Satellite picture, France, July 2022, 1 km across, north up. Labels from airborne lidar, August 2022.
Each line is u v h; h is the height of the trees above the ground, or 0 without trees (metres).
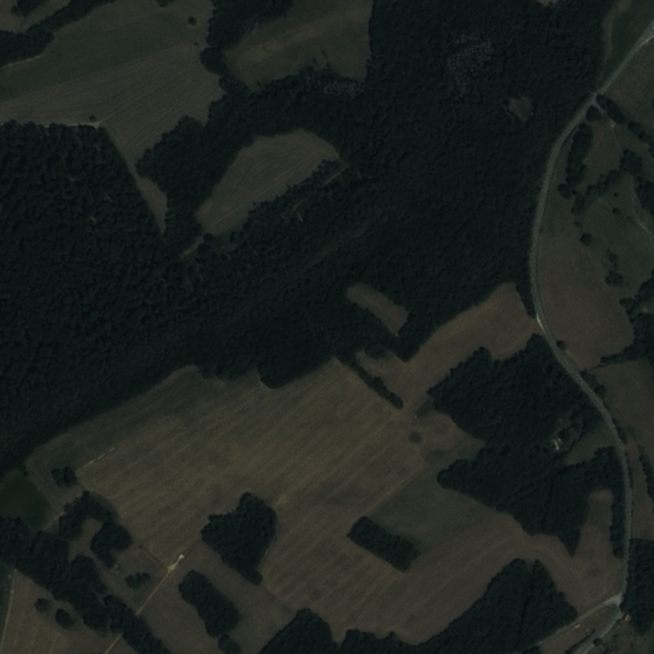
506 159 17
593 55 13
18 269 24
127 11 0
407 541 6
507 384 23
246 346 28
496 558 0
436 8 20
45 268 27
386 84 21
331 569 0
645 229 0
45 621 0
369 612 0
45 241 25
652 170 0
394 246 18
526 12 23
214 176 23
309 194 17
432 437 0
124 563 0
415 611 0
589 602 0
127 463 0
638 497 0
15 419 16
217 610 16
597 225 0
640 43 0
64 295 22
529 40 18
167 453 0
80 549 0
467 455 0
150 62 0
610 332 0
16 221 25
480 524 0
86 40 0
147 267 26
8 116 0
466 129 14
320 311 30
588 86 16
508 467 20
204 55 11
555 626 17
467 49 38
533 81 18
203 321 16
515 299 0
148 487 0
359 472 0
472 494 14
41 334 30
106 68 0
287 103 19
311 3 0
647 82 0
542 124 17
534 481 16
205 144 13
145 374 19
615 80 0
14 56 14
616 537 15
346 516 0
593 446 0
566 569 0
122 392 23
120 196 24
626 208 0
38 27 11
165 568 0
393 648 8
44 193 24
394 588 0
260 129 14
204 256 20
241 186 0
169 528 0
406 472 0
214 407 0
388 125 18
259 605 0
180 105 0
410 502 0
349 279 21
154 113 0
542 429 21
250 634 0
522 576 18
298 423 0
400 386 0
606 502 0
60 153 29
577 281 0
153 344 11
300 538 0
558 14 19
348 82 19
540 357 19
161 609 0
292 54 0
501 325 0
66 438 0
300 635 11
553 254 0
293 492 0
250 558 16
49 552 19
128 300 25
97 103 0
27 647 0
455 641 17
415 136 16
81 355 21
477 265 13
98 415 18
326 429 0
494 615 14
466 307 16
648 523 0
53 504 0
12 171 27
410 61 16
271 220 16
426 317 18
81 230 24
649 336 16
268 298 18
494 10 16
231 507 0
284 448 0
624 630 0
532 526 16
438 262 19
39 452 0
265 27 0
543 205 0
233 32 21
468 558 0
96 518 10
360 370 12
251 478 0
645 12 0
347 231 12
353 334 20
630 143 0
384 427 0
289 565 0
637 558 6
